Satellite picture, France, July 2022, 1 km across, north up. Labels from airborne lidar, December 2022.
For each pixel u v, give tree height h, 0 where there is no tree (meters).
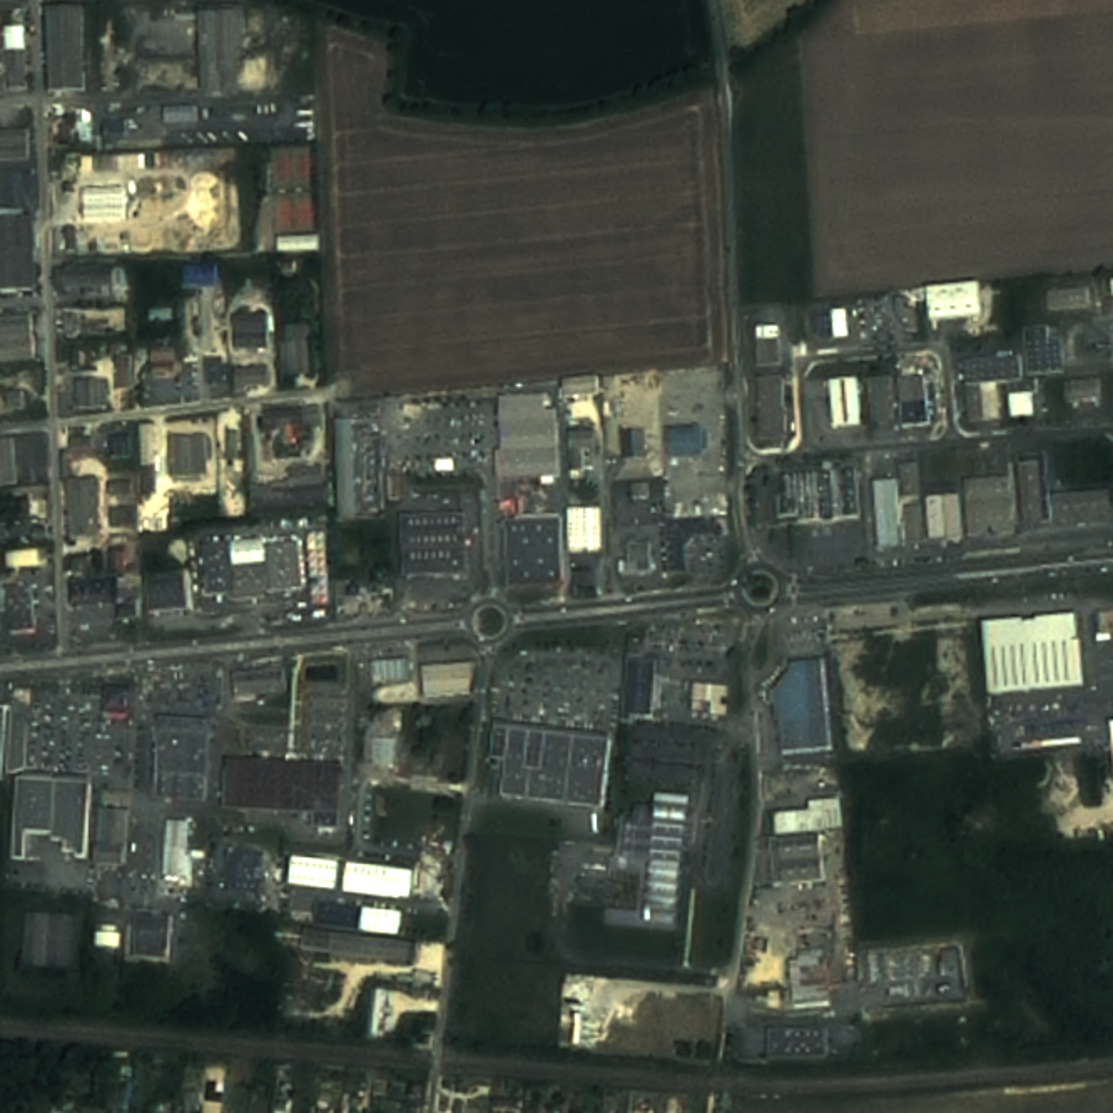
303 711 0
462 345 0
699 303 0
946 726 0
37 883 0
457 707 0
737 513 0
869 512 0
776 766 0
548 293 0
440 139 0
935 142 0
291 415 0
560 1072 0
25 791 0
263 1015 12
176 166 0
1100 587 0
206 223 0
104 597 0
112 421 0
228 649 0
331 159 0
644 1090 0
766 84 0
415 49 0
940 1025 0
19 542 6
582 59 0
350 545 0
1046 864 7
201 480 0
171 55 0
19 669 0
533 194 0
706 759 0
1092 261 0
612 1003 0
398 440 0
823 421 0
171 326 8
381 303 0
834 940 0
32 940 0
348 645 0
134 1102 6
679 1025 0
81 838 0
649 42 0
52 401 0
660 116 0
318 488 0
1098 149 0
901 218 0
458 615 0
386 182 0
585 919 0
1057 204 0
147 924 0
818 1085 0
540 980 0
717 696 0
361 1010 7
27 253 0
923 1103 0
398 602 0
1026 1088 0
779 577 0
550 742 0
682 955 6
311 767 0
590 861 0
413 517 0
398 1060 0
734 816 0
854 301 0
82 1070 20
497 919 0
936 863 0
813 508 0
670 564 0
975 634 0
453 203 0
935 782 0
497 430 0
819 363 0
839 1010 0
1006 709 0
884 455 0
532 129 0
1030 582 0
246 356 0
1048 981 7
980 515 0
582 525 0
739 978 0
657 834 0
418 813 0
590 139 0
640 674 0
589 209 0
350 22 14
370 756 0
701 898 0
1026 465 0
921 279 0
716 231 0
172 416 0
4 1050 20
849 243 0
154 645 0
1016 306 0
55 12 0
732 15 0
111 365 0
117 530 0
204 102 0
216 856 0
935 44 0
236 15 0
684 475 0
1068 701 0
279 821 0
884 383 0
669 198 0
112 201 0
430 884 8
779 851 0
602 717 0
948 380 0
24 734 0
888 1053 0
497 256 0
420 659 0
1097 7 0
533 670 7
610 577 0
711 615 0
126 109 0
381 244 0
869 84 0
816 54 0
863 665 0
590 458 0
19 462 0
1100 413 0
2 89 0
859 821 0
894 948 0
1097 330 0
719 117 0
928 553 0
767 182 0
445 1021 0
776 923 0
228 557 0
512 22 0
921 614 0
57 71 0
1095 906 6
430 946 0
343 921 0
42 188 0
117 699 0
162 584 0
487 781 0
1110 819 0
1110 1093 0
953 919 0
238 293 0
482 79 0
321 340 9
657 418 0
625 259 0
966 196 0
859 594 0
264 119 0
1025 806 0
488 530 0
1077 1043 7
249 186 0
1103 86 0
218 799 0
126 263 6
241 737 0
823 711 0
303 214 0
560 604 0
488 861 0
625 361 0
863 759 0
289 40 0
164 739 0
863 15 0
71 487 0
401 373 0
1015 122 0
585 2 0
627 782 0
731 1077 0
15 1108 23
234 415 0
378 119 0
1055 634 0
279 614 0
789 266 0
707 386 0
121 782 0
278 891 0
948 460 0
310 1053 0
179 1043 0
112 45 0
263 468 0
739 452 0
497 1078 0
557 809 0
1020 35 0
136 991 8
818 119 0
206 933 0
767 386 0
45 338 0
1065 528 0
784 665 0
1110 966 12
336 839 0
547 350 0
